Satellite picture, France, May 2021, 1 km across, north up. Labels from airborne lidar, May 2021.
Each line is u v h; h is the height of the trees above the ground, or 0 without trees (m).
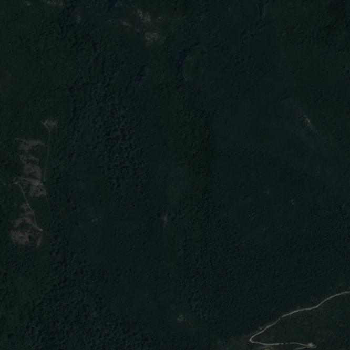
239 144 6
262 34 5
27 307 11
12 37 6
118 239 7
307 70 6
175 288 6
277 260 12
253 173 6
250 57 16
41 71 7
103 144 23
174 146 6
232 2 6
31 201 5
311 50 6
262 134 6
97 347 20
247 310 8
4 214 10
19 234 0
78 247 6
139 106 10
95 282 10
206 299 14
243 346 0
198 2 6
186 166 5
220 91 6
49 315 18
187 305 12
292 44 6
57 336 15
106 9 6
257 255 11
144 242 7
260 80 6
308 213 10
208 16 7
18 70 7
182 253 11
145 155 8
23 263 9
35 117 7
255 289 7
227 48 8
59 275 18
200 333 7
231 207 5
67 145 22
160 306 7
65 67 7
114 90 15
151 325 6
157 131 6
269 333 7
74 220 6
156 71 8
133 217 6
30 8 8
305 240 11
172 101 8
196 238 7
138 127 7
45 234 6
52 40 7
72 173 6
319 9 6
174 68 17
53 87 9
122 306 5
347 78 7
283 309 9
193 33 7
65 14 17
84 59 15
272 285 6
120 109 27
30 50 7
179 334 6
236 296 11
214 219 6
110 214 6
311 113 6
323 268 9
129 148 21
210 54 7
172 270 6
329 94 6
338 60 5
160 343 21
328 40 13
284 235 7
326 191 8
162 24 6
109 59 8
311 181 6
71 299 25
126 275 7
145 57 6
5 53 6
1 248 6
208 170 12
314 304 7
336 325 9
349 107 6
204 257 16
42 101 6
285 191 5
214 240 10
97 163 6
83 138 7
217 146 6
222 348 0
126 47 12
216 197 6
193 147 14
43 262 6
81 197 6
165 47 6
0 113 8
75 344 23
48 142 6
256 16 6
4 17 6
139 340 28
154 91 6
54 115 7
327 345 7
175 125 7
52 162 10
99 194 6
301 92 5
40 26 14
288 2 7
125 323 14
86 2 7
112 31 7
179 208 7
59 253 18
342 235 7
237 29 6
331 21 11
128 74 5
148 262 6
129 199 6
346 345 13
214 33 6
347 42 12
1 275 15
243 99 6
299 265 6
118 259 5
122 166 8
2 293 13
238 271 7
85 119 23
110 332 7
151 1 7
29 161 6
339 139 5
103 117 20
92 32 19
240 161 6
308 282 13
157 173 6
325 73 7
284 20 5
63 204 18
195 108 14
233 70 7
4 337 12
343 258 6
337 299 7
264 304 5
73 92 21
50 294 24
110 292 6
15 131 7
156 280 8
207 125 15
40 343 24
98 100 12
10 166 12
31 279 7
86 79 21
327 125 6
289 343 8
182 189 6
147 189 8
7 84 6
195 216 9
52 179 9
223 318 11
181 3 14
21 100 5
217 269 15
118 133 23
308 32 7
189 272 11
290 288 11
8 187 8
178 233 7
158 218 7
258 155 6
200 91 8
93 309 26
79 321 14
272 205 6
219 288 12
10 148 8
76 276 19
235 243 15
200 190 8
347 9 7
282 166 6
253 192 6
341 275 8
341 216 7
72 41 12
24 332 10
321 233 10
